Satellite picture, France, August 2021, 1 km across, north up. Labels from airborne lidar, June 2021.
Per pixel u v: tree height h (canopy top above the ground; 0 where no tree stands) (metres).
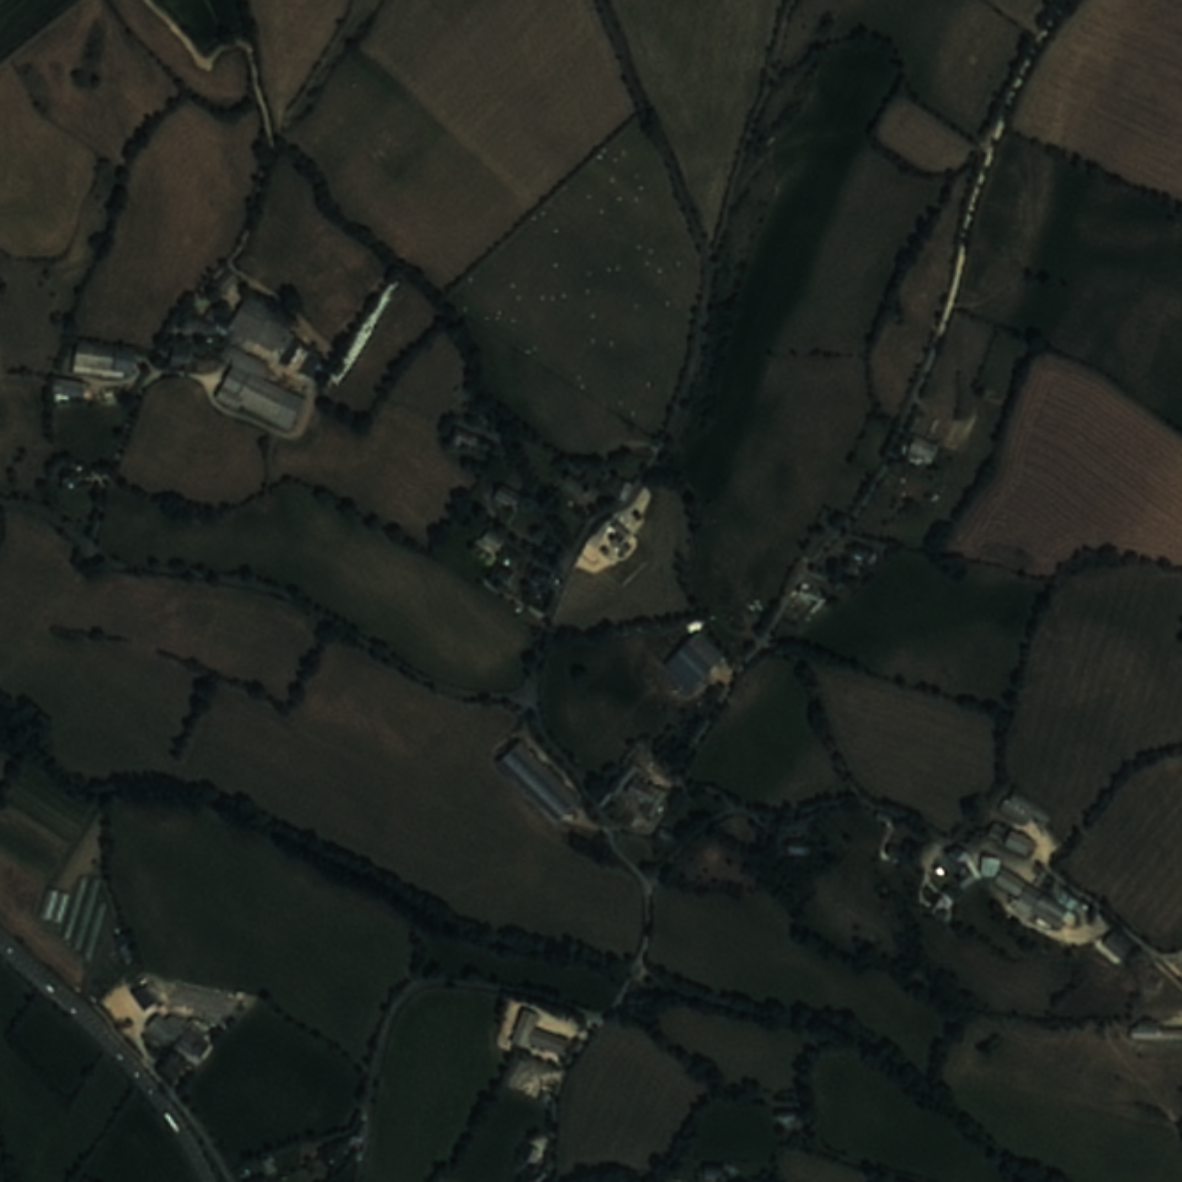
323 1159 7
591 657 0
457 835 0
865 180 0
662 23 0
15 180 0
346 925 0
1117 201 0
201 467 0
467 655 0
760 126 7
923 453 0
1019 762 0
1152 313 0
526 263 0
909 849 8
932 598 0
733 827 0
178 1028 0
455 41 0
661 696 0
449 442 11
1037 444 0
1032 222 0
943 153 0
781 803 0
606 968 11
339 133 0
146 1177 0
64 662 0
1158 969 0
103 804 14
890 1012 0
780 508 0
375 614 0
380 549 0
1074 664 0
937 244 0
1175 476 0
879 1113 0
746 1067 0
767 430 0
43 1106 0
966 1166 0
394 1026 0
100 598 0
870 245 0
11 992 0
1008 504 0
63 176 0
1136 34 0
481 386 9
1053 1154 0
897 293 8
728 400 0
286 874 0
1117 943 0
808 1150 12
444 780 0
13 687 0
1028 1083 0
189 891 0
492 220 0
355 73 0
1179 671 0
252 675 0
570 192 0
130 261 0
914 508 12
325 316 0
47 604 0
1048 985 0
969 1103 0
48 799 0
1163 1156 0
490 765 0
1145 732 0
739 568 0
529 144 0
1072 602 0
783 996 0
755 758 0
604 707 0
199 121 0
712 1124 0
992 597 0
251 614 0
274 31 0
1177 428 7
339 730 0
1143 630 0
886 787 0
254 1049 0
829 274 0
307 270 0
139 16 0
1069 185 0
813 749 0
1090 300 0
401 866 0
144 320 0
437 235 0
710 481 0
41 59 0
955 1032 16
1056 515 0
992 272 0
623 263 0
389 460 0
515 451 14
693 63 0
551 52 0
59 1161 0
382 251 7
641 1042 0
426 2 0
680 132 0
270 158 12
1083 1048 0
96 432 0
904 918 10
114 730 0
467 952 0
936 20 0
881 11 0
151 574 8
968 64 0
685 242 0
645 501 0
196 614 0
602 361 0
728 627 0
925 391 6
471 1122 8
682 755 10
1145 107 0
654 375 0
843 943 0
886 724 0
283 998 0
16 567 0
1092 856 0
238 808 14
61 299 0
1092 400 0
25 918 0
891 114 0
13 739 27
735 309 17
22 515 0
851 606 0
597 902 0
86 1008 0
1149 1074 0
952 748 0
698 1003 12
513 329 0
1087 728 0
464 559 0
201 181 0
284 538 0
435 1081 0
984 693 0
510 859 0
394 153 0
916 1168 0
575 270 0
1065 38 0
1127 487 0
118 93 0
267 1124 0
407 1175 0
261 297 10
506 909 0
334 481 0
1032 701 0
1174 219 10
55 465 9
